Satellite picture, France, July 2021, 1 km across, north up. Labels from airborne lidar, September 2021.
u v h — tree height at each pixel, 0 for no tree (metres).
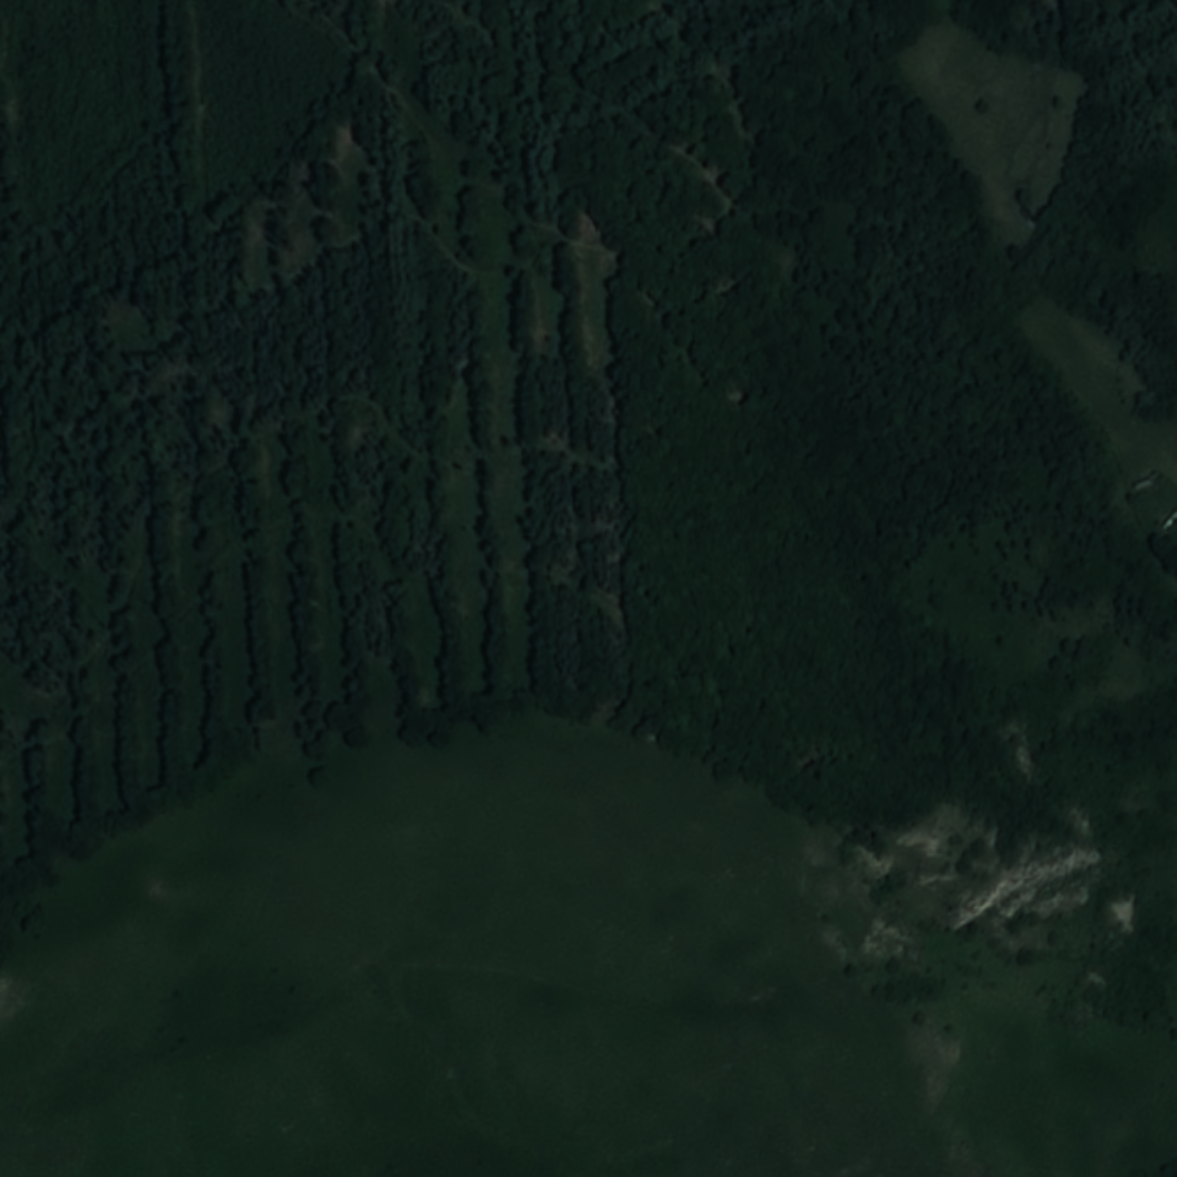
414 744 20
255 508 23
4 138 23
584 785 0
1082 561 11
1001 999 0
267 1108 0
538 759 0
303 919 0
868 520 26
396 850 0
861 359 16
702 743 20
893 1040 0
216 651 18
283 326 25
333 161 20
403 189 28
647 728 17
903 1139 0
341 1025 0
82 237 20
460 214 9
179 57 20
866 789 23
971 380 7
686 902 0
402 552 24
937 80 0
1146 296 21
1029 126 0
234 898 0
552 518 18
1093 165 21
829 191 20
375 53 15
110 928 0
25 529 22
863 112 21
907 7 33
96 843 17
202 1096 0
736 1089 0
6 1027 0
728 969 0
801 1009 0
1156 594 10
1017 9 9
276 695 19
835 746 23
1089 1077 0
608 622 19
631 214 23
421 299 29
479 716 20
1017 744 19
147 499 17
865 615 15
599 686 20
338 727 17
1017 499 7
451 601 20
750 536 16
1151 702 8
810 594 20
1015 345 12
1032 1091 0
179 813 15
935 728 21
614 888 0
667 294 22
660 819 0
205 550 18
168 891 0
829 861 0
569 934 0
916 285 21
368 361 17
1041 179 0
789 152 22
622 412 11
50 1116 0
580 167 23
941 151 10
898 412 14
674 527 26
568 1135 0
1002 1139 0
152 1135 0
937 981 6
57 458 10
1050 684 7
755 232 0
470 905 0
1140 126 25
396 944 0
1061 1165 0
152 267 14
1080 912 5
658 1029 0
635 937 0
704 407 20
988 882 9
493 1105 0
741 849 0
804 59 23
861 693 14
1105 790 8
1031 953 12
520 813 0
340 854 0
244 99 6
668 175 26
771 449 25
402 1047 0
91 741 20
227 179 6
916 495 23
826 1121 0
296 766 0
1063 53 9
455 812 0
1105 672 6
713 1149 0
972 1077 0
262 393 21
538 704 15
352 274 17
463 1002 0
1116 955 7
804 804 20
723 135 25
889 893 17
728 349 25
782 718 22
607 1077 0
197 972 0
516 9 31
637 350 25
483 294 26
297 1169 0
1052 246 18
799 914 0
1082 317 8
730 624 25
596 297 0
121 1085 0
